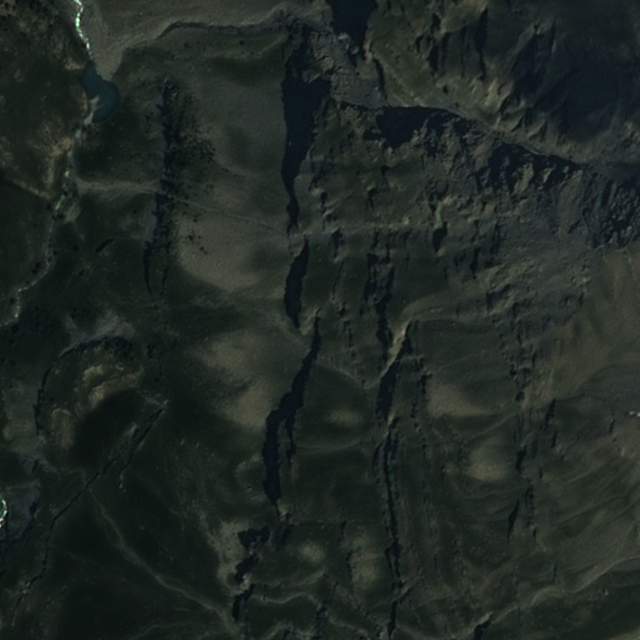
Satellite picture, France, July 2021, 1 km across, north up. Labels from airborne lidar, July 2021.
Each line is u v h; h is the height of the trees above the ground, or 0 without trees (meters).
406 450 0
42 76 0
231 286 0
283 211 0
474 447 0
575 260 0
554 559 0
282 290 0
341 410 0
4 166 0
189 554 0
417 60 0
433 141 0
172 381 0
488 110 0
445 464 0
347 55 0
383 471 0
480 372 0
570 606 0
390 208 0
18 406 0
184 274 0
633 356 0
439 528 0
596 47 0
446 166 0
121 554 0
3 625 0
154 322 0
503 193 0
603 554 0
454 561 0
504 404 0
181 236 0
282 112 0
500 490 0
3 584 0
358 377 0
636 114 0
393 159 0
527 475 0
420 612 0
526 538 0
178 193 14
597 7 0
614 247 0
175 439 0
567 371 0
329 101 0
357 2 0
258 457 0
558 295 0
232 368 0
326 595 0
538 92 0
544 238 0
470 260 0
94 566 0
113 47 0
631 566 0
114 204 0
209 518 0
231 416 0
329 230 0
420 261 0
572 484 0
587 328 0
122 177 0
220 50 0
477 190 0
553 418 0
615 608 0
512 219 0
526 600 0
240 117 0
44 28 0
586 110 0
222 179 0
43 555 0
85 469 0
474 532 0
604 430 0
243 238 0
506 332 0
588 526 0
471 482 0
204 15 0
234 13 0
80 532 0
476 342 0
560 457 0
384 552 0
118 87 0
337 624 0
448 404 0
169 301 0
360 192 0
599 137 0
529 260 0
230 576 0
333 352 0
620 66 0
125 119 0
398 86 0
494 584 0
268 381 0
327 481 0
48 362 0
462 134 0
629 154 0
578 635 0
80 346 0
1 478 0
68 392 0
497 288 0
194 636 0
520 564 0
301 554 0
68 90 0
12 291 0
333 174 0
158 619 0
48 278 0
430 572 0
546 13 0
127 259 0
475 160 0
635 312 0
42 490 0
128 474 0
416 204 0
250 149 0
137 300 0
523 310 0
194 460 0
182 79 0
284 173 0
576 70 0
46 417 0
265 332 0
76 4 0
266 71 0
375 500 0
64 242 0
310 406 0
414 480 0
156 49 0
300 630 0
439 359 0
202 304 0
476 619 0
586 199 0
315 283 0
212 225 0
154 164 0
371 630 0
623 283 0
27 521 0
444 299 0
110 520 0
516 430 0
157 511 0
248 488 0
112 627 0
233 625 0
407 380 0
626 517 0
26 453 0
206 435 0
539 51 0
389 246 0
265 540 0
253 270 0
